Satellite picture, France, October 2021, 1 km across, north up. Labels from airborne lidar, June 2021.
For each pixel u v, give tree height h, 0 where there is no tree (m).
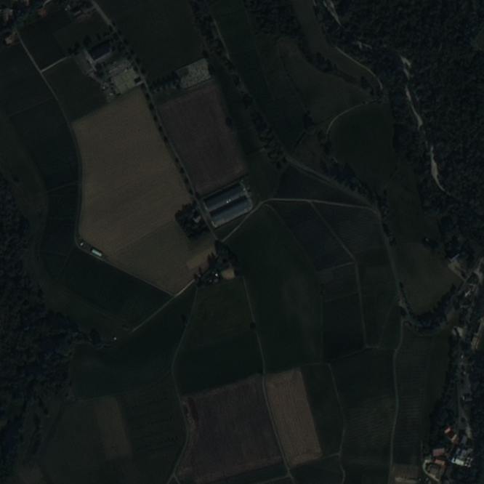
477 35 10
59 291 0
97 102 0
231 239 0
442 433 14
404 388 0
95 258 0
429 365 0
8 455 20
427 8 15
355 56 16
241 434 0
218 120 0
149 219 0
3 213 23
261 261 0
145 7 0
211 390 0
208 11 13
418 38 18
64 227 0
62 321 0
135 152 0
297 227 0
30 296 21
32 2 7
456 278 0
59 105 0
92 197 0
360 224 0
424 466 0
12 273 25
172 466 0
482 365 17
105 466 0
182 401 0
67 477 0
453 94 14
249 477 0
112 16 0
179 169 0
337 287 0
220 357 0
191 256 0
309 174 0
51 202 0
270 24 21
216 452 0
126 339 0
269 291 0
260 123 18
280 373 0
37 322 23
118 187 0
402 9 17
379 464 0
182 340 0
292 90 0
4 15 8
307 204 0
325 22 16
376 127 0
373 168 0
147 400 0
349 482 0
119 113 0
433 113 8
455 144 14
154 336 0
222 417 0
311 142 0
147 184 0
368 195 12
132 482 0
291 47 0
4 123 0
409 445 0
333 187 0
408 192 0
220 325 0
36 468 0
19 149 0
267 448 0
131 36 0
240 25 0
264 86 0
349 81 0
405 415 0
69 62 0
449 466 20
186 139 0
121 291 0
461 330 0
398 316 0
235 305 0
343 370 0
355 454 0
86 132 0
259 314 0
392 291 0
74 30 0
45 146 0
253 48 0
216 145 0
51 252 0
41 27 0
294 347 0
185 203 0
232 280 0
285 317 0
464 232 18
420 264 0
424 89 18
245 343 0
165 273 0
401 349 0
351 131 0
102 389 0
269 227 0
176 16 0
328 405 0
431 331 10
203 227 8
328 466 0
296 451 0
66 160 0
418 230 0
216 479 0
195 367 0
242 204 0
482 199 12
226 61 12
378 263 0
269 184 0
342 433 0
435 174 0
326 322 0
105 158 0
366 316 0
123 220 0
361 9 12
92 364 0
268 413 0
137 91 0
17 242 10
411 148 25
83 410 0
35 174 0
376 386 0
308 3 0
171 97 0
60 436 0
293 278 0
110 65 0
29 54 0
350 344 0
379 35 9
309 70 0
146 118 0
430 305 0
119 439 0
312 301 0
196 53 0
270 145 25
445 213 20
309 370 0
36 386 17
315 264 0
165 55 0
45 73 0
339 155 0
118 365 0
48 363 8
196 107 0
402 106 19
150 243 0
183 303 0
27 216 0
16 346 28
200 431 0
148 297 0
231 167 0
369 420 0
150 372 0
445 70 17
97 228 0
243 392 0
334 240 0
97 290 0
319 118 0
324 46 0
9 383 18
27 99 0
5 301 12
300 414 0
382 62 15
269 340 0
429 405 0
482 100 22
